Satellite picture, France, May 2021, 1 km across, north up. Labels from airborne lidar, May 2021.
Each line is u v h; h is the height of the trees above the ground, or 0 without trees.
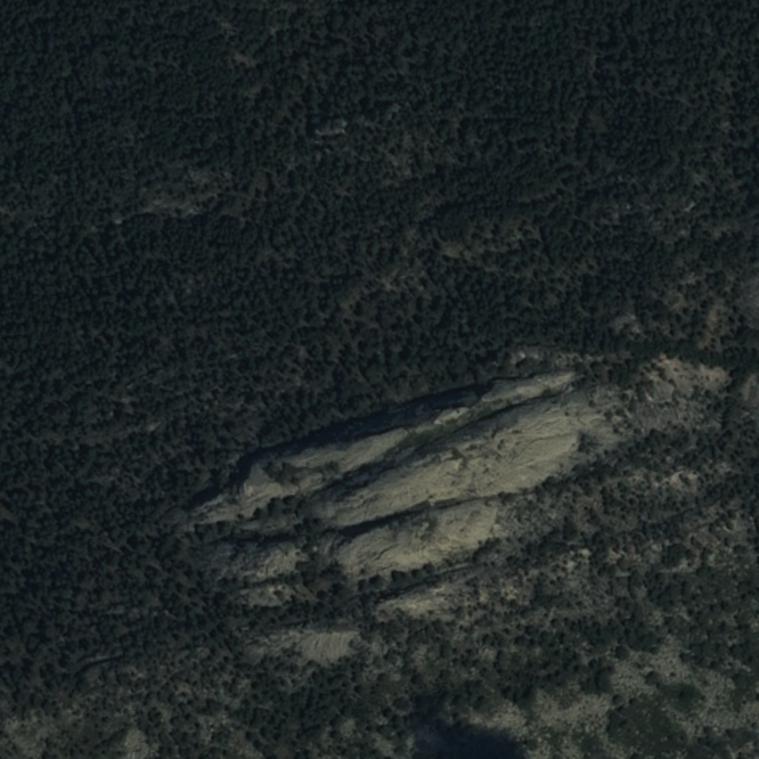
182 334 35
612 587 12
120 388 21
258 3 20
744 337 21
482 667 19
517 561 16
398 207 24
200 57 20
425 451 0
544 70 21
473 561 8
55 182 19
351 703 20
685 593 19
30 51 23
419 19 24
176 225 22
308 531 18
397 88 13
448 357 26
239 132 23
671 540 9
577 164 14
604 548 12
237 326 25
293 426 24
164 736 13
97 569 13
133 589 25
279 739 20
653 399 0
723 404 19
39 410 31
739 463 19
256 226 12
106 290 28
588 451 8
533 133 22
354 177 24
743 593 15
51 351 24
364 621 9
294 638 0
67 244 31
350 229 27
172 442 22
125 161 18
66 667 23
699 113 21
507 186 24
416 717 19
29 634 30
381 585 21
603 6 28
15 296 26
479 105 29
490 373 13
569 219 28
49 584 32
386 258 22
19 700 20
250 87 23
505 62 27
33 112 23
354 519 0
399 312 23
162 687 8
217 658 20
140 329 35
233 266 27
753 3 29
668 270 20
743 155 33
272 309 21
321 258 13
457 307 21
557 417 0
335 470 20
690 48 23
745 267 17
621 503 15
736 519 14
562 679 26
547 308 19
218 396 19
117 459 29
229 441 23
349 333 17
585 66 22
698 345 18
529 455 0
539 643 22
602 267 14
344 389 24
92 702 11
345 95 28
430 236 24
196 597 27
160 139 22
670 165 19
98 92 17
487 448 0
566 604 13
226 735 10
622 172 10
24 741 0
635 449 14
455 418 0
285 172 13
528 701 23
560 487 17
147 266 20
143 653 15
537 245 14
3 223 33
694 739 0
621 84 35
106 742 12
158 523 9
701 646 9
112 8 21
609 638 28
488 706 26
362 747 11
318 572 23
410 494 0
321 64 31
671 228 8
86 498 31
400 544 0
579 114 24
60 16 29
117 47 22
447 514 0
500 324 24
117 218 14
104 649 20
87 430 21
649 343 11
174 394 11
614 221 14
